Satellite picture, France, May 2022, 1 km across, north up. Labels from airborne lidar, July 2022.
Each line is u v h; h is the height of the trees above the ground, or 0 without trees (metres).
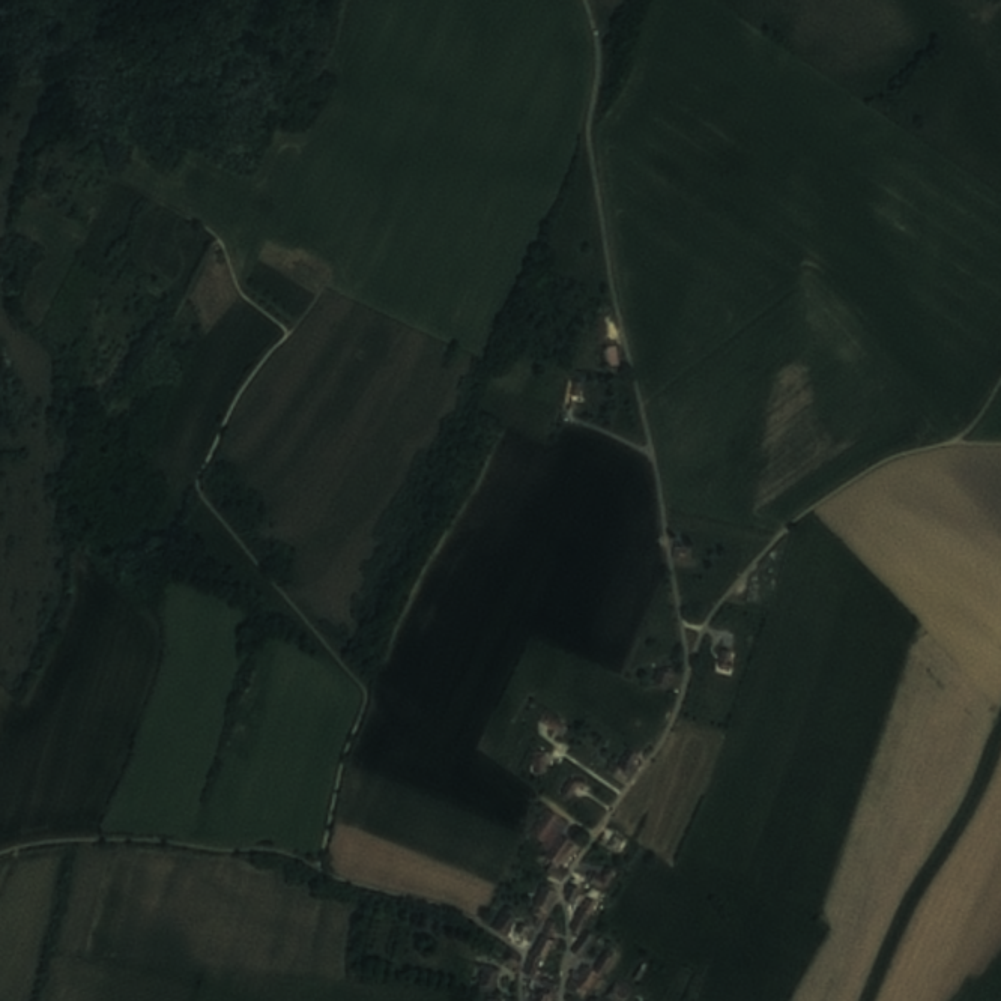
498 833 0
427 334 0
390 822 0
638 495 0
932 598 0
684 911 0
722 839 0
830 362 0
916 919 0
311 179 0
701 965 0
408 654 0
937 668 0
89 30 12
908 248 0
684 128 0
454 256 0
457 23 0
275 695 0
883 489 0
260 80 25
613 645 0
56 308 0
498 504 0
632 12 10
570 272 0
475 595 0
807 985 0
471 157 0
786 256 0
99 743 0
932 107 0
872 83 0
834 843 0
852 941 0
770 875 0
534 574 0
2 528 0
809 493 0
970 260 0
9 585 0
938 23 0
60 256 0
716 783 0
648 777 0
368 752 0
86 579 0
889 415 0
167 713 0
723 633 0
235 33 17
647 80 0
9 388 10
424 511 6
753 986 0
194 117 21
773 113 0
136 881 0
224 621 0
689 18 0
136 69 16
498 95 0
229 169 14
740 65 0
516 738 0
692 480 0
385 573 6
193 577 21
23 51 15
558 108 0
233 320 0
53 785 0
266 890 0
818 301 0
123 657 0
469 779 0
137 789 0
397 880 0
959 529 0
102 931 0
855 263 0
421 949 14
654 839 0
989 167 0
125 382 16
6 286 12
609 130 0
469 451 17
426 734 0
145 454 8
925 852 0
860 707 0
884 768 0
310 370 0
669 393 0
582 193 0
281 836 0
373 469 0
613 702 0
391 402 0
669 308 0
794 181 0
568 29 0
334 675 0
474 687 0
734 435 0
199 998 0
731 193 0
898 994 0
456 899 0
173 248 0
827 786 0
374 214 0
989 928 0
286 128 16
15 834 0
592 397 0
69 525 8
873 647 0
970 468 0
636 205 0
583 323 22
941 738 0
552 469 0
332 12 13
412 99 0
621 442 0
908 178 0
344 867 0
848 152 0
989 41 0
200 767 0
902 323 0
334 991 0
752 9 0
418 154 0
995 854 0
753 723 0
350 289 0
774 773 0
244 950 0
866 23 0
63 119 20
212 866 0
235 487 6
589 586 0
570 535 0
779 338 0
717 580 0
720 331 0
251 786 0
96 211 0
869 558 0
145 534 8
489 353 9
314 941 0
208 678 0
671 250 0
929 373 0
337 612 0
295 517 0
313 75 14
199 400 0
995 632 0
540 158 0
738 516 0
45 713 0
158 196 0
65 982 0
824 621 0
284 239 0
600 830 0
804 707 0
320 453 0
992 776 0
